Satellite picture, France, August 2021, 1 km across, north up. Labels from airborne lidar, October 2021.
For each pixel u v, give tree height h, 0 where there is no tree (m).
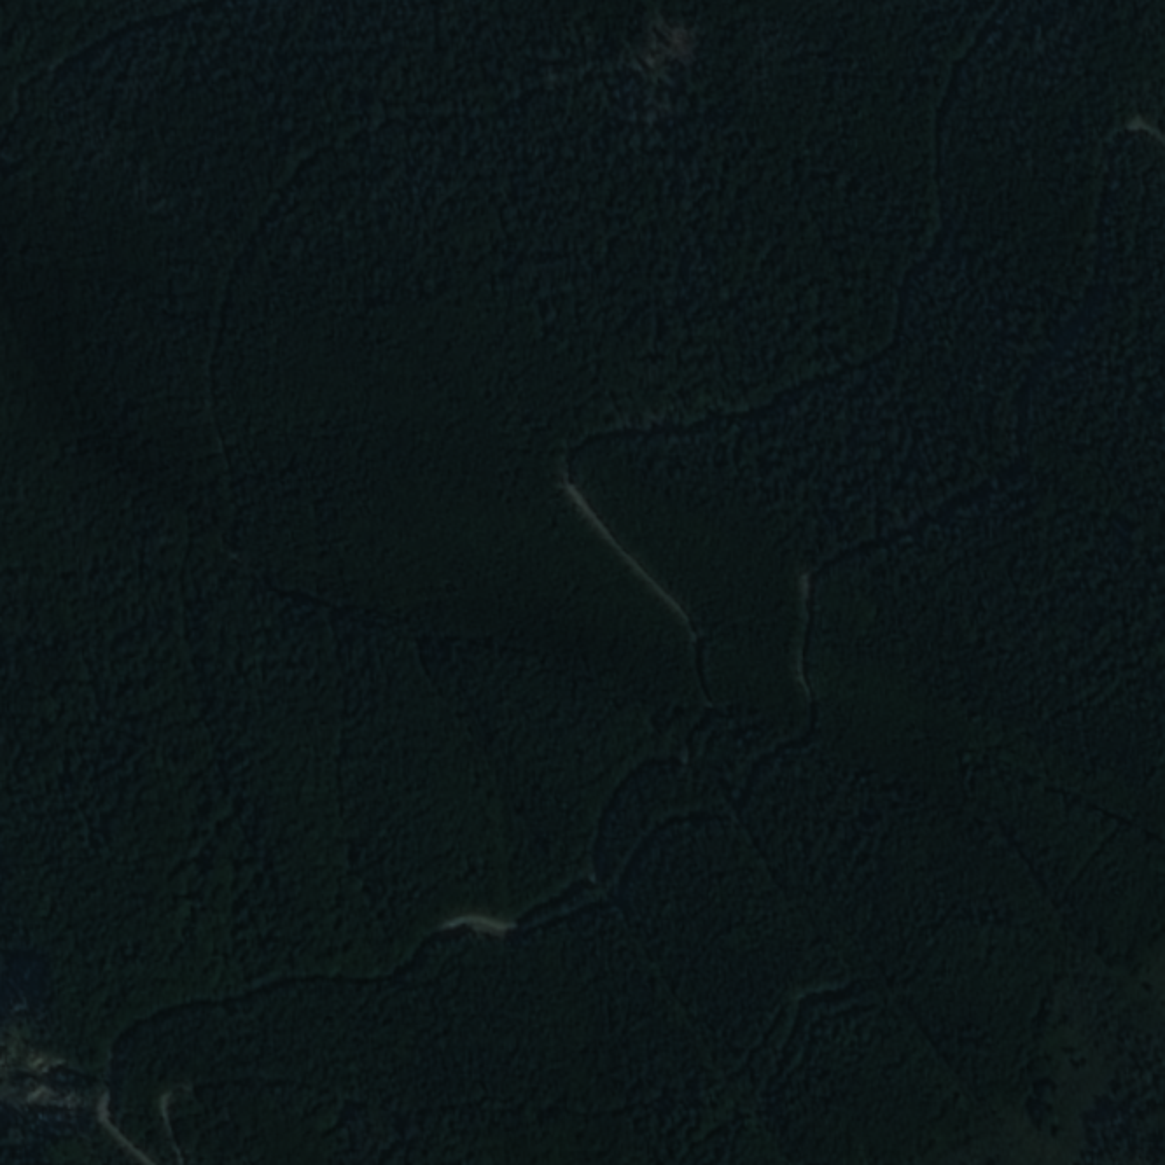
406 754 23
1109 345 15
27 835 25
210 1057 18
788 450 19
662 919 19
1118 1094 9
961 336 12
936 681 16
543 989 17
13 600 20
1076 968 8
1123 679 15
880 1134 18
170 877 20
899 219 18
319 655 19
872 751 17
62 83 13
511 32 19
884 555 23
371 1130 25
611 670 17
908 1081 22
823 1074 15
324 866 23
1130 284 16
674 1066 15
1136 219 14
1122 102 17
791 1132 18
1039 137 20
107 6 16
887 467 25
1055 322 6
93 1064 15
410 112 23
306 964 26
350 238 15
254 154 21
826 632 12
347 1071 20
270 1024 19
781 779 15
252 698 28
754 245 23
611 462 12
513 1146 22
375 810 27
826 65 15
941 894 14
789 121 21
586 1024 15
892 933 16
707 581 13
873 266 18
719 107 12
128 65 16
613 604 18
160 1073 15
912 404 22
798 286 26
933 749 15
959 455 20
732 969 17
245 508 16
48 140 17
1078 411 23
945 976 18
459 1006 18
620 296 30
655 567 9
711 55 16
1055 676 18
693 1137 20
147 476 20
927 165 15
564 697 25
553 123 22
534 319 25
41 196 33
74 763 22
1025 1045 20
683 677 20
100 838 25
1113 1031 6
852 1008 13
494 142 20
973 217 19
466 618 18
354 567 14
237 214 21
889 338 18
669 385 26
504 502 17
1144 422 17
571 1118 17
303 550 16
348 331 15
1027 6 19
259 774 26
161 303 19
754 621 13
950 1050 21
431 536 14
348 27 25
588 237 23
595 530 7
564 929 18
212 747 21
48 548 20
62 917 24
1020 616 18
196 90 24
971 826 18
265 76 21
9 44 11
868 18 17
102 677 25
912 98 17
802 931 19
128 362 18
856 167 18
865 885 17
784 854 16
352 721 29
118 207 14
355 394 11
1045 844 18
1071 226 16
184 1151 13
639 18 17
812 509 14
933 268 24
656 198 13
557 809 13
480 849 23
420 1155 23
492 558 15
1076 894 18
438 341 22
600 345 26
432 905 23
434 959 18
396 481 17
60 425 25
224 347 14
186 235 16
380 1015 18
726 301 14
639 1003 19
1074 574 18
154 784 22
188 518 15
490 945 15
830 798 15
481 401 18
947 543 20
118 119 22
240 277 14
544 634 21
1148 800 16
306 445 15
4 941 8
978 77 24
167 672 24
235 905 16
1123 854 18
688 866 16
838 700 14
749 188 20
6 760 22
